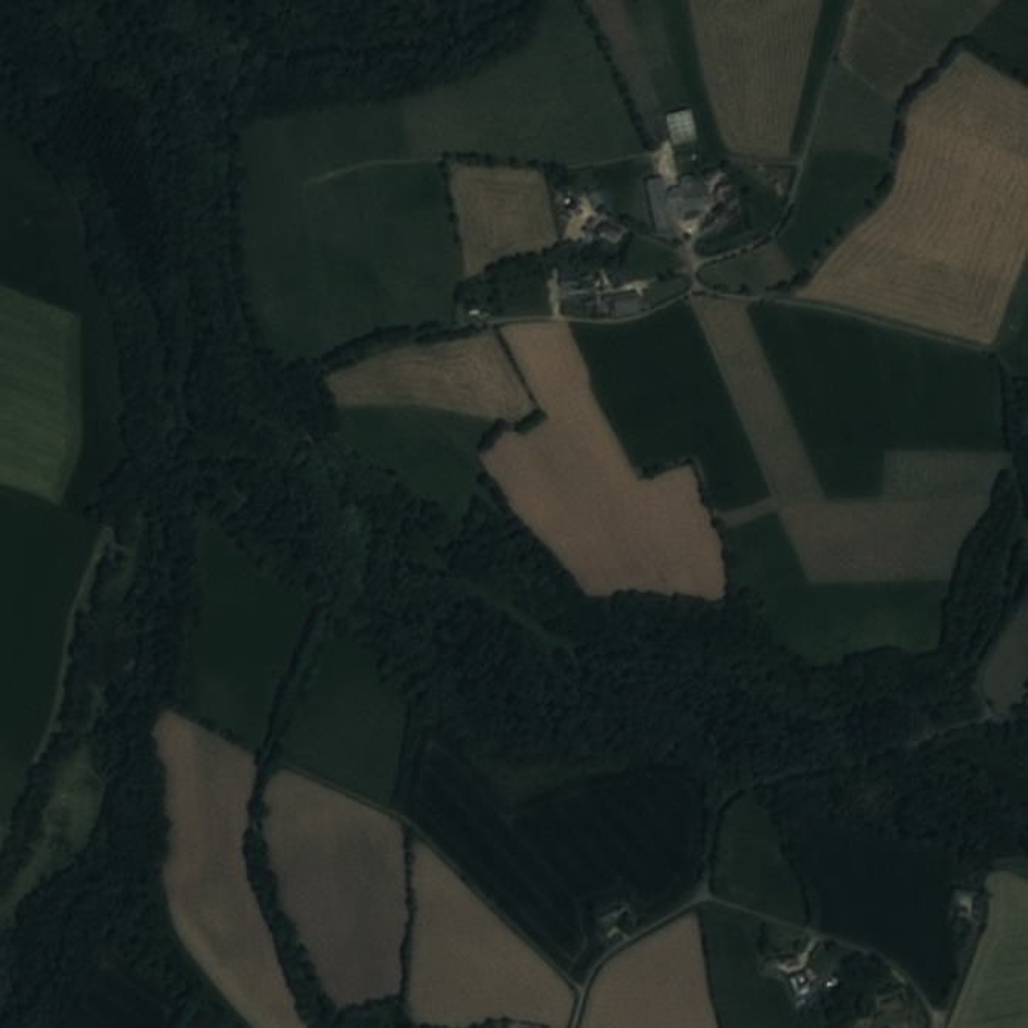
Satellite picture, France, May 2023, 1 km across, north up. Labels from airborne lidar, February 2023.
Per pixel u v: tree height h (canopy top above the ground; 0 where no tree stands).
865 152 0
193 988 20
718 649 20
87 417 0
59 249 0
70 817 0
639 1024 0
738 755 33
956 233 0
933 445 0
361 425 0
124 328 15
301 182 0
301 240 0
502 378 0
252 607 0
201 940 0
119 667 0
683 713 28
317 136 0
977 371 0
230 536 11
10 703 0
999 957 0
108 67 11
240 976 0
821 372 0
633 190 0
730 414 0
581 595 14
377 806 0
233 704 0
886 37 0
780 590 0
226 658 0
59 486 0
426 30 6
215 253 12
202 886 0
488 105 0
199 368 22
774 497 0
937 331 0
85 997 0
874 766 15
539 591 15
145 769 17
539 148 0
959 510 0
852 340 0
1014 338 0
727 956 0
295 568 22
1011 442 11
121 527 18
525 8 29
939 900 0
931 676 20
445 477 0
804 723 15
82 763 0
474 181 0
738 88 0
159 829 18
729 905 0
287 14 8
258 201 0
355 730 0
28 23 21
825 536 0
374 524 25
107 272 20
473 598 0
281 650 0
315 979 14
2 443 0
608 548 0
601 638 16
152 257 18
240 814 0
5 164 0
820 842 0
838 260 0
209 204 9
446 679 20
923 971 0
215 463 19
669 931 0
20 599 0
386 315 0
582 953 0
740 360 0
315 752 0
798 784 23
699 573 0
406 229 0
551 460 0
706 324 0
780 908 0
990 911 0
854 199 0
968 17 0
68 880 11
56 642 0
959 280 0
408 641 23
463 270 0
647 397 0
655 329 0
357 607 17
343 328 0
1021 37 0
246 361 12
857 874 0
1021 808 10
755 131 0
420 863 0
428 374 0
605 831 0
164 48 16
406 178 0
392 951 0
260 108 16
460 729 21
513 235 0
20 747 0
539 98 0
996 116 0
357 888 0
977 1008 0
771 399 0
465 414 0
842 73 0
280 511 23
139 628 14
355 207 0
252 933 0
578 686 40
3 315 0
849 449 0
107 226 23
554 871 0
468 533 12
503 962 0
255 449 20
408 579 26
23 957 15
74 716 17
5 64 16
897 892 0
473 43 23
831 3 0
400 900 0
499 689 39
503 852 0
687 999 0
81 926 16
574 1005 0
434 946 0
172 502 18
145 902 17
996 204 0
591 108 0
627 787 0
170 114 13
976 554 14
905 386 0
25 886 0
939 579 0
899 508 0
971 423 0
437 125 0
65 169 22
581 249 6
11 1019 17
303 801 0
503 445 0
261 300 0
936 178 0
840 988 10
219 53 22
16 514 0
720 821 7
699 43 0
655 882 0
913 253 0
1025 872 0
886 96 0
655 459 0
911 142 0
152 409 20
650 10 0
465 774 0
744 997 0
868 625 0
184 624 9
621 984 0
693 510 0
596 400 0
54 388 0
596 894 0
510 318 0
